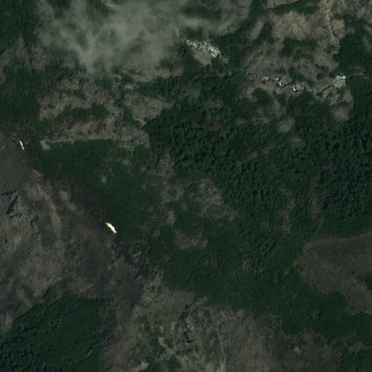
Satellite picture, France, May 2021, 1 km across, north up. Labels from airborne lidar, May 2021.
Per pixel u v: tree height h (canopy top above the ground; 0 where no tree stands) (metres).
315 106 12
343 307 15
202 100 22
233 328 0
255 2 14
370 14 7
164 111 21
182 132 28
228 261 10
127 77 11
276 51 0
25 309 0
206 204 0
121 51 10
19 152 0
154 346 6
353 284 0
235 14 9
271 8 8
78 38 20
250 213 8
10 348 20
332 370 0
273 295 19
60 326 11
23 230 0
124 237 7
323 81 0
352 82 12
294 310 16
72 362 6
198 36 12
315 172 17
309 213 9
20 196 0
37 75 12
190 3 13
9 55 10
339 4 0
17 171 0
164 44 0
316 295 16
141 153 10
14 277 0
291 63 0
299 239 11
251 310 11
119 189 16
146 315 7
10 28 20
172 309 0
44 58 0
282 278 18
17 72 7
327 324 16
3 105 16
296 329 12
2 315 0
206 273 8
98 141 12
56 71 14
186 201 7
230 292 14
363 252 0
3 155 0
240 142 7
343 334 13
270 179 12
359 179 13
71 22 14
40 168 11
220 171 21
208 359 0
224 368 0
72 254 0
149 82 11
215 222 8
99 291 0
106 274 0
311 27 0
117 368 0
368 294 0
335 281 0
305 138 20
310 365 0
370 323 18
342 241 0
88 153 13
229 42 12
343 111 0
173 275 9
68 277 0
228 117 10
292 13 0
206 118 19
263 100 7
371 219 11
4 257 0
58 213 0
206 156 34
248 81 6
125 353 0
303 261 0
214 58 7
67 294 7
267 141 16
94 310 9
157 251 13
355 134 26
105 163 11
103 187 13
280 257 16
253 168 30
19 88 10
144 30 6
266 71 0
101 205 13
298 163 28
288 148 16
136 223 9
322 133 9
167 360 6
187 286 12
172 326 0
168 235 11
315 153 14
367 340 12
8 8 20
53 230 0
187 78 12
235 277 13
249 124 7
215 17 9
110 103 0
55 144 8
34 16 21
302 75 8
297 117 11
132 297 0
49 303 8
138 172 8
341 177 15
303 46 9
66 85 0
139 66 0
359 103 17
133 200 10
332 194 10
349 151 24
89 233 0
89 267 0
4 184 0
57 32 18
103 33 12
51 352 23
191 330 7
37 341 20
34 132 12
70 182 7
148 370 16
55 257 0
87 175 16
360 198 26
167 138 13
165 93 20
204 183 0
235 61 11
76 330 13
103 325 6
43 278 0
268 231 9
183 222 17
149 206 7
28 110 17
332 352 0
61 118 11
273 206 12
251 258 9
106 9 12
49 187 0
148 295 0
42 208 0
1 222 0
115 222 9
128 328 0
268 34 9
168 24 6
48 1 21
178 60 24
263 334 0
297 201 12
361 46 15
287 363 0
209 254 6
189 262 10
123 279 0
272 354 0
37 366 31
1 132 0
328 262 0
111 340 0
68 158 13
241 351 0
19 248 0
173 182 8
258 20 0
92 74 9
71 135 0
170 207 8
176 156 25
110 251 0
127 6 9
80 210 0
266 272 21
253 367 0
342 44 11
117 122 8
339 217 12
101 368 7
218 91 24
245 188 28
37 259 0
